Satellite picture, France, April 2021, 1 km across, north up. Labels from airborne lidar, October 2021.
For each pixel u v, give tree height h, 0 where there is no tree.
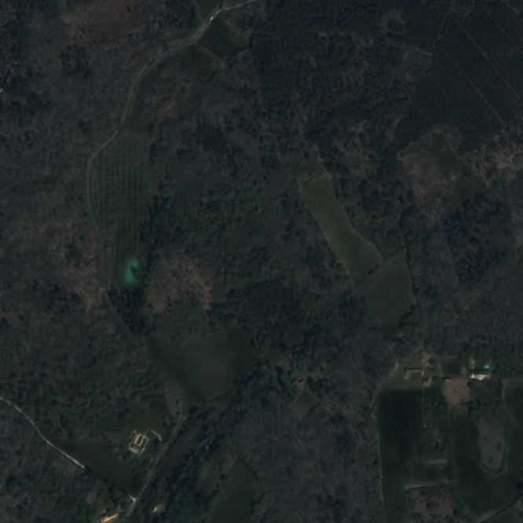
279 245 11
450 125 10
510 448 0
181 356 0
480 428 0
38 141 14
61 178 20
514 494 0
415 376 14
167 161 21
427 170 0
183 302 21
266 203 13
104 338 14
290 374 9
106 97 9
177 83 6
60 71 10
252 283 21
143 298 21
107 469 0
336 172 25
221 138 18
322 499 18
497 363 15
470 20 10
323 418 19
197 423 13
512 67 10
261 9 19
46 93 12
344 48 23
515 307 12
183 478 25
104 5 11
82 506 22
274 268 23
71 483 6
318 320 9
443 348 17
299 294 24
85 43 6
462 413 0
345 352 22
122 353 16
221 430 12
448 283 22
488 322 8
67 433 22
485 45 12
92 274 13
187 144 15
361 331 28
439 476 0
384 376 21
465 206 0
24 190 7
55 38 16
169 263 23
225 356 0
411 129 10
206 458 16
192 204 20
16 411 19
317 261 17
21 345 16
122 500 13
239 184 11
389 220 17
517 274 11
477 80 10
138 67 10
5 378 9
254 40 13
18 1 10
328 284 25
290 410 19
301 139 10
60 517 24
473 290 16
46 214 19
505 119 12
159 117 6
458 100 11
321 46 18
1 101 10
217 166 10
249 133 17
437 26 12
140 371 10
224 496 0
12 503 11
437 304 27
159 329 18
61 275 9
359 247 0
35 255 9
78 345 7
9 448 16
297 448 22
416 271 21
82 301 16
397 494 0
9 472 12
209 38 6
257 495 0
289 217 13
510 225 17
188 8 27
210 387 0
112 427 9
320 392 25
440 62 10
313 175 10
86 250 17
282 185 12
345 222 0
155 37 8
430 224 19
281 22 23
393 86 10
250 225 16
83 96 16
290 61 14
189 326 17
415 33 10
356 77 15
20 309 12
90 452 0
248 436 24
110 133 13
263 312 19
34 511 21
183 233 19
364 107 22
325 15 24
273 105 23
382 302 0
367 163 6
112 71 8
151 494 9
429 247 17
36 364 10
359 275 0
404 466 0
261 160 13
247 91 11
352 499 17
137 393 11
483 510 0
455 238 26
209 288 11
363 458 18
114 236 8
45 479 9
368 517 19
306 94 25
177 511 24
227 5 13
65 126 17
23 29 16
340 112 9
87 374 20
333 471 18
